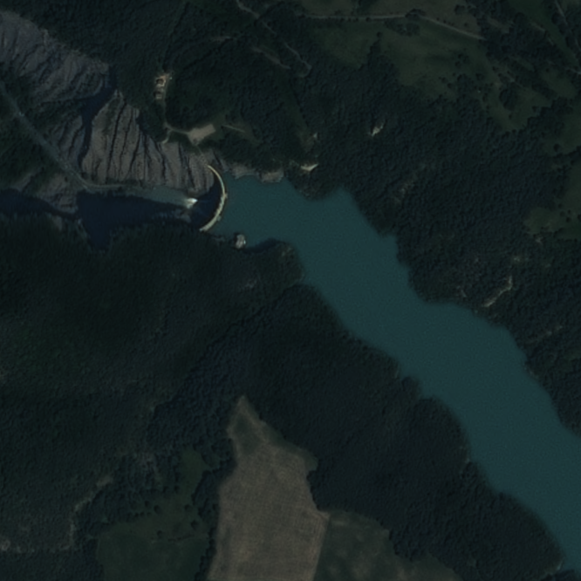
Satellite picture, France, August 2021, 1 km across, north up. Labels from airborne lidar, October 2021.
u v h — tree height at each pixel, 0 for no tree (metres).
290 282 11
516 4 0
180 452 9
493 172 17
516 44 19
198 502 15
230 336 16
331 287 0
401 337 0
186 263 14
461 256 12
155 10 19
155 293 10
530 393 0
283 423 16
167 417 16
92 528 10
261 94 15
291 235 0
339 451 16
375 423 15
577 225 0
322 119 11
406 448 18
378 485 19
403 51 0
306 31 17
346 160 20
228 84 8
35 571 13
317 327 13
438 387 0
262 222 0
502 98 10
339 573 0
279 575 0
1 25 0
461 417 0
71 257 12
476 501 18
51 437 16
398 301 0
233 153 7
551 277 14
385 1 0
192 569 0
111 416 19
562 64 15
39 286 14
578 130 0
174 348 17
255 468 0
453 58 0
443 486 15
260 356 15
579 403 15
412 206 18
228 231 0
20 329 11
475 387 0
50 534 9
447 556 22
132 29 11
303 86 10
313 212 0
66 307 16
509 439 0
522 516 15
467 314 0
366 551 0
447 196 17
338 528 0
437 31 0
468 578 18
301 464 0
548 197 15
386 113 13
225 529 0
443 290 8
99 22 17
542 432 0
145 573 0
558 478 0
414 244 10
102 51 13
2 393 12
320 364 14
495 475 0
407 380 15
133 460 12
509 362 0
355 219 0
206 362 15
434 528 15
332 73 10
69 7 24
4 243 14
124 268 17
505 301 13
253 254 15
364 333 0
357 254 0
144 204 0
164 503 0
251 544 0
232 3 13
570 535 0
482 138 11
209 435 14
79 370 9
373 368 14
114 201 0
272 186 0
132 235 12
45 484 13
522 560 17
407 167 11
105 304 20
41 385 10
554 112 16
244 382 12
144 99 8
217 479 12
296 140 14
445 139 12
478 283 14
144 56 19
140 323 17
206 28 20
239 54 19
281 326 14
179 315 21
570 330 9
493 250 9
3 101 23
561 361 13
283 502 0
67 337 11
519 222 11
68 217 0
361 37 0
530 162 15
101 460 11
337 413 11
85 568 15
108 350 14
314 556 0
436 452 16
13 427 16
